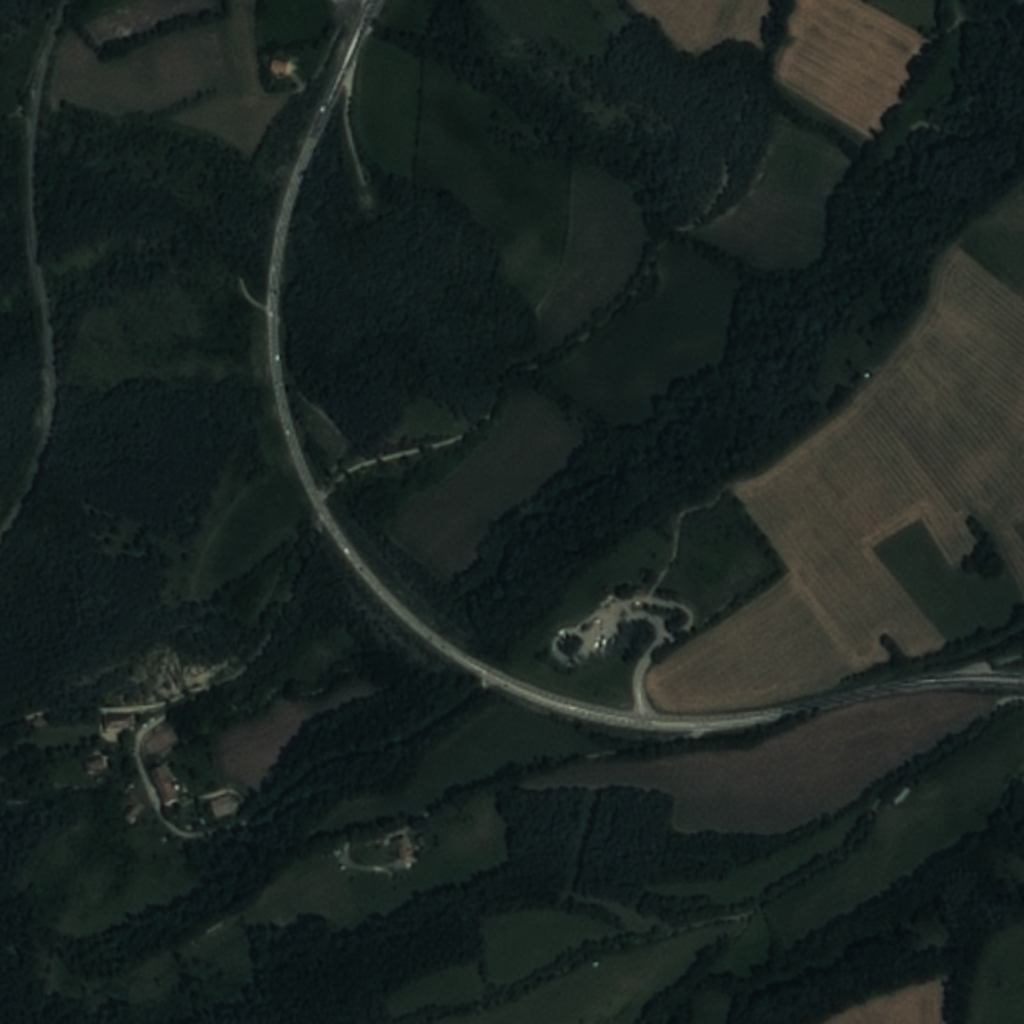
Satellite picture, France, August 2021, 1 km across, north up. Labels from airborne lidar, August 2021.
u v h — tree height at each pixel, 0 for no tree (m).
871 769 0
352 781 15
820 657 0
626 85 12
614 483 21
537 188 0
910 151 15
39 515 16
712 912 10
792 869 0
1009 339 0
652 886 10
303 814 19
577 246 0
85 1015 14
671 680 0
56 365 9
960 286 0
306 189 8
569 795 14
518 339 7
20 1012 21
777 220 0
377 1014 15
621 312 9
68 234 16
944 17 17
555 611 14
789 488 0
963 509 0
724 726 0
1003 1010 0
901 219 15
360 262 9
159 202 15
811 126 11
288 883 0
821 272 16
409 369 18
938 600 0
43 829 13
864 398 0
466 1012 10
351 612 10
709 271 0
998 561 16
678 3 0
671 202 15
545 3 0
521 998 10
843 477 0
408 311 11
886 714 0
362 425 20
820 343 15
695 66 15
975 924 24
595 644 0
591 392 0
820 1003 16
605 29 0
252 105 0
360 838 18
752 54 18
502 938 0
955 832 0
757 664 0
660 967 0
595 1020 0
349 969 19
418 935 12
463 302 11
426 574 9
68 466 11
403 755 19
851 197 15
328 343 17
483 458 0
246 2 0
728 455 9
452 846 0
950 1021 17
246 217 10
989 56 24
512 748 0
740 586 0
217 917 16
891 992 16
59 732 0
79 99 0
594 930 0
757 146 8
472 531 0
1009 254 0
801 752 0
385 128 0
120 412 13
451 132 0
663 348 0
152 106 0
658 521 11
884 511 0
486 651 8
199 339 7
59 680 9
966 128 14
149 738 0
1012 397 0
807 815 0
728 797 0
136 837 0
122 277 14
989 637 13
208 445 16
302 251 11
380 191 8
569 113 13
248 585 6
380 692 9
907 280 14
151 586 16
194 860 10
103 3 0
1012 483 0
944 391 0
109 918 0
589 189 0
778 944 12
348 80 0
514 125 0
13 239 10
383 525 17
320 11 0
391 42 11
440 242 11
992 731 7
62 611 15
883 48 0
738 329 21
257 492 0
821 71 0
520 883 10
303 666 0
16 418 8
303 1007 18
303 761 20
